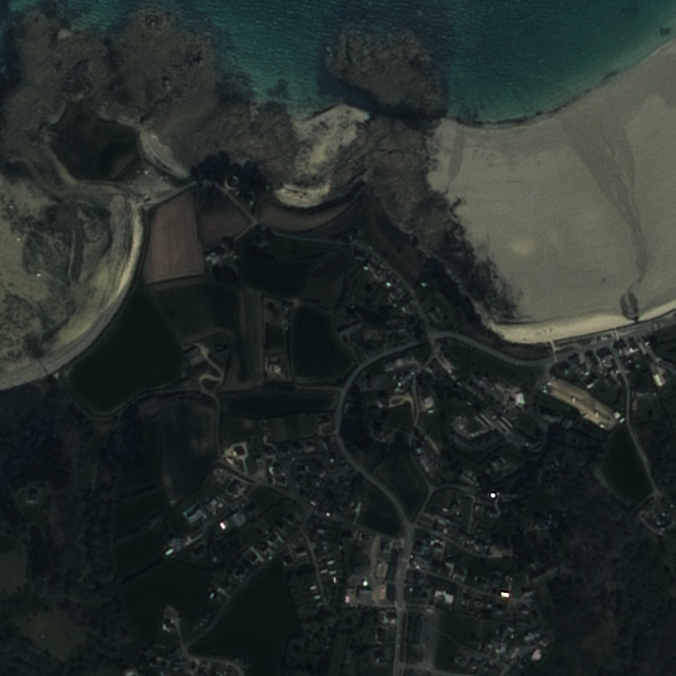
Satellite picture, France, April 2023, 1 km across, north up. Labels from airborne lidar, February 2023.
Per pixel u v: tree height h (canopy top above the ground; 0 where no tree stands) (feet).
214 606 0
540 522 0
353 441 51
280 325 0
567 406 0
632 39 0
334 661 0
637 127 0
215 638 0
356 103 0
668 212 0
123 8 0
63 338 0
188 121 0
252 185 58
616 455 0
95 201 0
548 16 0
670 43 0
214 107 0
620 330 0
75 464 57
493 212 0
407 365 0
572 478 23
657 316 0
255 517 0
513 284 0
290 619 0
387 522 0
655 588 29
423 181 0
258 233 35
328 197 0
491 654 0
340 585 32
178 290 0
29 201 0
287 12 0
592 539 69
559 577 50
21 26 0
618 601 37
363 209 0
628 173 0
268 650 0
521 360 0
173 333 0
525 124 0
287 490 0
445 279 66
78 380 0
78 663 23
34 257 0
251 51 0
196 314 0
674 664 62
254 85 0
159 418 0
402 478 0
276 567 0
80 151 0
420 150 0
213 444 0
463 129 0
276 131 0
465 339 0
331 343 0
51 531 39
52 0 0
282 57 0
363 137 0
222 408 0
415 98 0
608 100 0
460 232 0
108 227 0
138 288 0
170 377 0
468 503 0
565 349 0
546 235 0
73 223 0
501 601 0
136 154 0
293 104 0
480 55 0
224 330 0
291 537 0
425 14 0
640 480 0
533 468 52
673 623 78
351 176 0
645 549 38
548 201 0
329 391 0
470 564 0
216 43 0
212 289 0
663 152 0
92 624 38
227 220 0
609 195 0
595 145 0
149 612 0
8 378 0
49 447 54
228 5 0
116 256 0
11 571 0
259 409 0
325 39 0
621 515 69
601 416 0
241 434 0
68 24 0
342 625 24
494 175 0
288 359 22
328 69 0
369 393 0
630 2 0
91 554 75
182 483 0
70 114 0
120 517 0
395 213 0
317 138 0
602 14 0
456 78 0
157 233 0
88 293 0
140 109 0
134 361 0
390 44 0
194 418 0
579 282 0
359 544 0
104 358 0
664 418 26
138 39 0
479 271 0
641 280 0
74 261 0
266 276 0
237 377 0
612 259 0
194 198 0
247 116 0
